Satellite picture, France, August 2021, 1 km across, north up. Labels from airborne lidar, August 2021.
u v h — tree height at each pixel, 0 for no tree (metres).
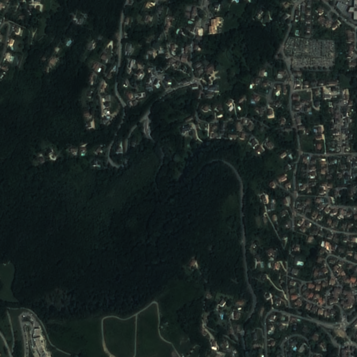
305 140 0
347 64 8
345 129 0
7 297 0
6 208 21
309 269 8
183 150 15
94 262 26
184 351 0
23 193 20
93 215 8
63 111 14
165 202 22
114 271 30
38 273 25
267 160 6
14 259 19
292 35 10
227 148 14
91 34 17
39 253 20
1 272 0
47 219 24
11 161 18
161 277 21
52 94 18
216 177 18
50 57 10
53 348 10
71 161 20
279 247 10
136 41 15
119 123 19
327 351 6
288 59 0
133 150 23
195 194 23
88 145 13
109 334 0
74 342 0
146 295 16
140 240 25
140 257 26
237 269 17
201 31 0
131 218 27
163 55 8
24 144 20
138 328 0
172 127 20
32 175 23
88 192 6
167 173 19
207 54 9
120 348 0
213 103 10
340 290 0
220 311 8
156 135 22
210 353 10
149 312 0
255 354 17
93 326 0
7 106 9
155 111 21
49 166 24
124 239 23
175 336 0
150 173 6
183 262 13
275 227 10
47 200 25
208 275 18
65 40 23
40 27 16
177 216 28
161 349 0
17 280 17
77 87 19
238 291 7
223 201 15
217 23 0
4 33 5
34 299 25
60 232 26
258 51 17
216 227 17
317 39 6
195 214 21
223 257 20
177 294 0
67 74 25
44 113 21
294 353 6
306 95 0
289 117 6
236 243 16
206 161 19
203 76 10
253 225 7
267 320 5
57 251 23
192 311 18
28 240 21
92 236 9
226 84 0
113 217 21
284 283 15
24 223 20
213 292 14
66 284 34
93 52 11
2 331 9
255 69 21
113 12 22
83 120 13
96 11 16
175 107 22
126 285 31
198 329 8
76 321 0
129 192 9
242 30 20
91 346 0
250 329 24
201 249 20
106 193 7
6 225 23
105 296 30
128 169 11
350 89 6
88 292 25
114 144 11
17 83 8
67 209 19
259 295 16
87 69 21
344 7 0
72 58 24
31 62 21
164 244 24
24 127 28
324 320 6
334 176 6
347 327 0
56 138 25
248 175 11
